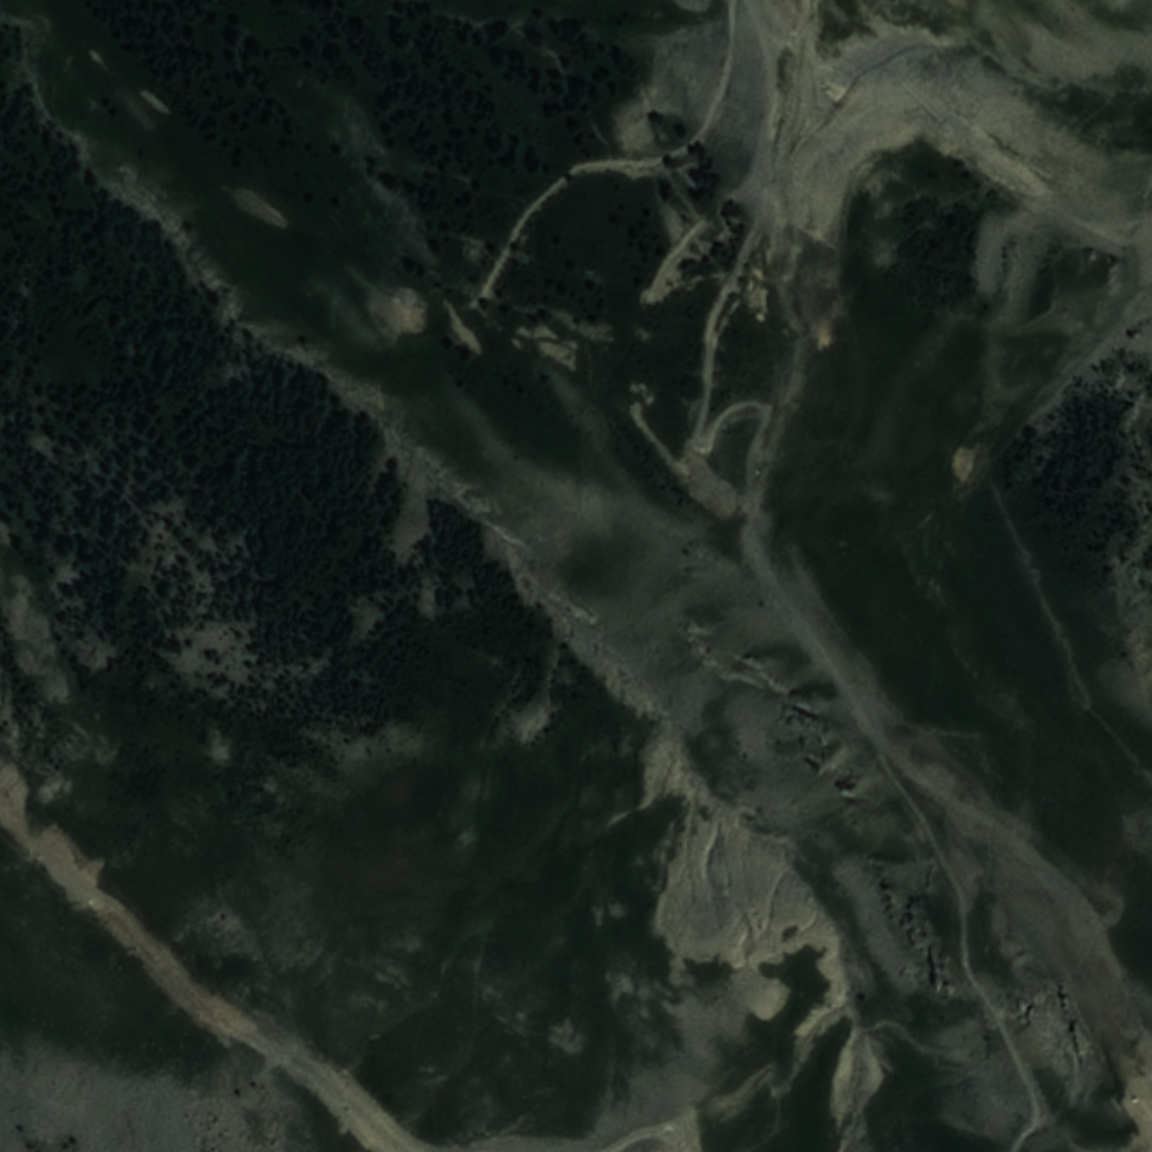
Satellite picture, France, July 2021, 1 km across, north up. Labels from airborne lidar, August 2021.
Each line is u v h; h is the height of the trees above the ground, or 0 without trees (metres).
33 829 0
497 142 17
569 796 0
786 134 0
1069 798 0
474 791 0
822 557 0
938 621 0
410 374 0
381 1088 0
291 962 0
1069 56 0
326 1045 0
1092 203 0
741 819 0
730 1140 0
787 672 0
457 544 17
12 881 0
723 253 6
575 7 0
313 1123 0
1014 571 0
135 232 19
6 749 0
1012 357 0
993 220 0
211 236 0
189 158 0
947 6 0
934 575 0
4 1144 0
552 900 0
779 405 0
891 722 0
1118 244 0
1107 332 0
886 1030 0
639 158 0
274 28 0
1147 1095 0
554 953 0
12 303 7
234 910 0
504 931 0
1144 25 0
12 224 9
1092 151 0
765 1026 0
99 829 0
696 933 0
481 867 0
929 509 0
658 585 0
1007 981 0
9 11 0
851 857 0
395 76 9
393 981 0
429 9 11
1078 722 0
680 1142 0
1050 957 0
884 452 0
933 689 0
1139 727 0
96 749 0
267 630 6
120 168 0
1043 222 0
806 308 0
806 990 0
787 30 0
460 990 0
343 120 0
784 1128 0
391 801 0
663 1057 0
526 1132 0
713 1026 0
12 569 0
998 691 0
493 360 0
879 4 0
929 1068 0
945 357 0
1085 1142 0
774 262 0
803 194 0
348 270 0
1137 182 0
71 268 11
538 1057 0
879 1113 0
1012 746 0
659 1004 0
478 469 0
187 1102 0
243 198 0
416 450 0
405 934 0
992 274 0
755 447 0
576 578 0
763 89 0
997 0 0
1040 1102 0
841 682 0
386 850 0
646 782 0
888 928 0
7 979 0
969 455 0
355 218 0
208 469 8
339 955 0
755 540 0
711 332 0
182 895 0
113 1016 0
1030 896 0
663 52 0
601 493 0
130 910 0
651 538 0
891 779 0
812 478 0
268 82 11
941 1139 0
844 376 0
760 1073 0
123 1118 0
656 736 0
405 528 0
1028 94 0
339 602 10
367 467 19
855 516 0
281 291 0
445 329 0
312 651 8
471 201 13
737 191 0
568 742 0
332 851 0
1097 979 0
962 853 0
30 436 11
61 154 18
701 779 0
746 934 0
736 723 0
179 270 23
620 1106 0
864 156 0
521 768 0
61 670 0
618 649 0
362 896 0
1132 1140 0
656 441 0
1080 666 0
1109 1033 0
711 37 0
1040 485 10
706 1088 0
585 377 0
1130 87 0
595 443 0
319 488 23
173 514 7
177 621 9
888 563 0
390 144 9
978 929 0
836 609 0
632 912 0
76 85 0
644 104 0
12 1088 0
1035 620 0
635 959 0
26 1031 0
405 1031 0
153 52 13
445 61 12
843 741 0
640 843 0
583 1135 0
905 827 0
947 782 0
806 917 0
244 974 0
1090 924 0
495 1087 0
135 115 0
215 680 7
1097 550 9
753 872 0
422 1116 0
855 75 0
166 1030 0
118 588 15
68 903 0
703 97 0
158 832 0
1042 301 0
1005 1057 0
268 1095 0
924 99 0
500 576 16
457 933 0
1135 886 0
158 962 0
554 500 0
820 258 0
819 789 0
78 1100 0
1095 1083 0
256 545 16
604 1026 0
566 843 0
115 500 13
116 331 13
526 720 0
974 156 0
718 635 0
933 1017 0
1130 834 0
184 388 16
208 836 0
